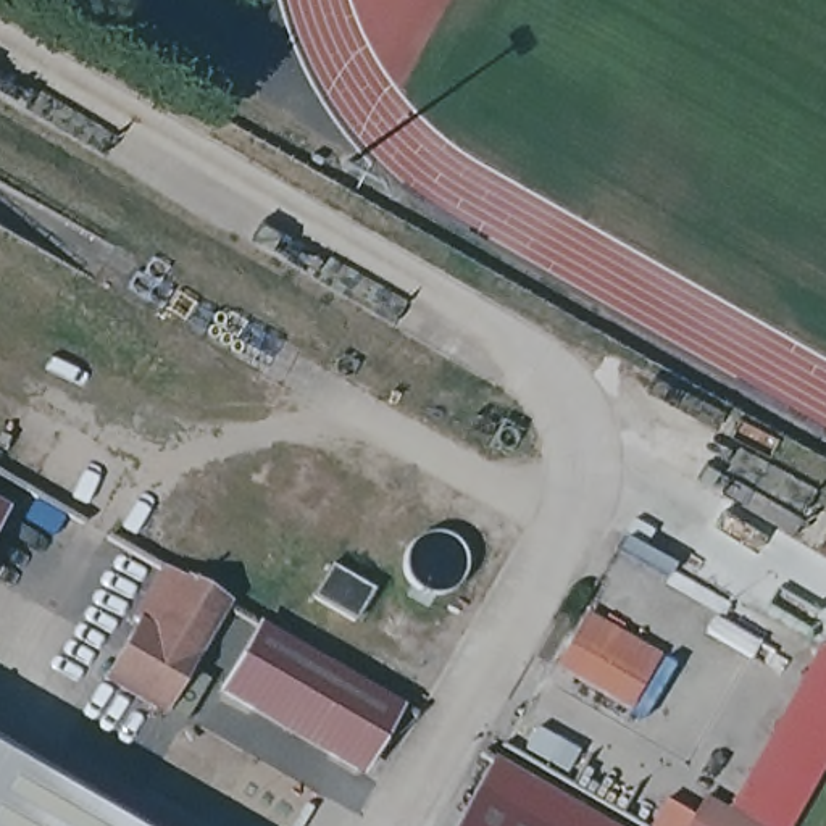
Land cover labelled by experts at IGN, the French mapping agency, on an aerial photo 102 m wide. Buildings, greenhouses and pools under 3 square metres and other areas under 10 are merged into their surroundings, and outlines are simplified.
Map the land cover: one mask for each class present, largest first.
<instances>
[{"label":"impervious surface","instance_id":"1","mask_svg":"<svg viewBox=\"0 0 826 826\"><path fill-rule=\"evenodd\" d=\"M181 13L184 32L213 42L223 55L226 77L232 81L229 94L245 97L258 94L261 100L294 113L300 123L319 132V145L332 148V155L310 158V148L242 116H236L232 123L252 132L255 139L281 148L284 155L303 161L310 171L339 181L342 187L371 200L384 213L436 236L439 242L465 252L468 258L532 290L536 297L571 313L574 319L652 358L658 365V381L668 387L665 400L649 394L632 378H623L620 358H603L600 368L587 365L581 352L568 348L536 323L516 316L513 310L494 303L465 281L445 274L442 268H432L419 255L381 239L378 232L361 229L348 216L323 207L310 194L294 190L290 184L277 181L239 152L219 145L216 139H210V126L190 116L158 110L152 100L126 87L119 77L81 65L68 52H52L39 39L26 35L19 26L0 19V113L19 116L26 106H32L65 132L84 139L100 152H110L113 165L129 171L139 184L158 190L165 200L184 207L200 223L223 232H236L239 252L261 261L268 271H287L316 294H345L348 300L365 307L368 316L381 313L400 319V329L410 339L429 345L432 352L445 355L465 371L490 384H500L516 400V407L532 419V432L539 439V458L487 461L471 445L455 442L439 429L419 423L416 416H407L374 400L368 387L352 384L342 371L319 368L313 358L287 345V329L271 326L252 307L232 303L229 310H223L219 300L207 297L200 287H190V277L181 268L177 255L165 258L171 271H139L136 258L119 245L94 236L90 229L65 219L61 213L42 207L39 200L0 181V226L35 242L39 248L52 252L55 258L84 271L87 277L106 281L110 290H123L132 300L145 303L148 297L161 300L158 319H194L197 326H210V339L216 345L229 348L239 361L261 371L265 400L271 413L268 419L255 423H226L223 436H184V442L174 448H161L145 436L129 432L126 426H100L90 403H74L61 390L32 397L26 403L29 410L23 419H0V497L13 503V513L0 532V739L19 745L23 752L42 758L45 765L65 771L84 787L142 816V826H461L468 820V807L461 800V794L471 787L468 768L471 761L494 765L490 742H503L507 752L539 765L561 784L584 791L587 797L616 810L632 826H658L655 816L661 803L678 800L694 810L707 794V784H713L716 778L723 791H716V800L732 803V787L758 761L768 732L791 707L803 671H810V658L820 655V649L826 645V555L800 545V539L787 532H774L758 552H752L716 529L720 513L729 510V500L723 497L720 484L700 481V468L710 461L713 436L700 419L681 413L678 403L690 397L716 407L726 416L742 413L745 423L781 439H794L826 458V352L755 316L752 310L726 300L723 294L697 284L671 265L652 258L649 252L623 242L594 219L532 190L519 177L494 168L490 161L478 158L455 139H448L429 116H423V110L407 97V81L426 42L432 39L448 0H168ZM274 442L326 448L348 471L365 474L378 487L387 484V468H394L397 461L416 465L426 474L423 500L439 519H468L484 532L487 545H494L497 539H510L513 549L503 558V568L490 584L487 597L481 603H471V629L458 639V649L452 655L448 690L423 713V720L410 726L400 749L390 758L394 771L374 787L368 774H352L332 765L303 739L271 726L255 713L236 710L219 697V681L226 668L219 665V658L223 642L242 610L232 597L223 610V620L207 652L187 674L184 690L174 700L161 703V697L139 690L136 681L119 678L113 665L123 645L136 642V629L142 623L139 600L148 597L155 571H161L165 565L161 558L132 545L152 503L148 490L168 497L187 471L242 452L271 448ZM574 581L590 594L587 610L607 620L610 626H620L632 639H642L658 655L674 658V671L655 697L658 713L649 720H629L623 716V703L571 678V671L555 661L561 639L578 623L558 610Z\"/></svg>","mask_w":826,"mask_h":826},{"label":"herbaceous vegetation","instance_id":"2","mask_svg":"<svg viewBox=\"0 0 826 826\"><path fill-rule=\"evenodd\" d=\"M407 97L423 110V116H429L448 139H455L478 158L490 161L494 168L519 177L532 190L594 219L623 242L649 252L652 258L671 265L697 284L723 294L726 300L752 310L755 316L826 352V0H448L432 39L426 42L407 81ZM242 116L310 148V158L332 155V148L319 145V132L300 123L294 113L261 100L258 94L245 97ZM0 181L39 200L42 207L61 213L65 219L90 229L94 236L119 245L136 258L139 271H171L165 258L177 255L181 268L190 277V287H200L207 297L219 300L223 310H229L232 303L252 307L271 326L287 329V345L313 358L319 368L342 371L352 384L368 387L374 400L407 416H416L419 423L439 429L455 442L471 445L487 461L539 458V439L532 432V419L516 407V400L500 384H490L465 371L445 355L432 352L429 345L410 339L400 329V319L381 313L368 316L365 307L348 300L345 294H316L287 271H268L261 261L239 252L236 232H223L200 223L184 207L165 200L158 190L139 184L129 171L113 165L110 152H100L84 139L65 132L32 106H26L19 116L0 113ZM210 139H216L219 145L239 152L277 181L290 184L294 190L310 194L323 207L348 216L361 229L378 232L381 239L419 255L432 268H442L445 274L465 281L494 303L513 310L516 316L536 323L568 348L581 352L587 365L600 368L603 358H620L623 378H632L649 394L665 400L668 387L658 381V365L652 358L574 319L571 313L536 297L532 290L468 258L465 252L439 242L436 236L384 213L371 200L342 187L339 181L310 171L303 161L284 155L281 148L255 139L252 132L232 123L210 126ZM161 300L148 297L145 303L132 300L123 290H110L106 281L87 277L84 271L55 258L52 252L39 248L35 242L0 226V419H23L29 410L26 403L32 397L61 390L74 403H90L100 426H126L129 432L145 436L161 448H174L184 442V436H223L226 423H255L268 419L271 413L265 400L261 371L239 361L229 348L216 345L210 339V326H197L194 319H158ZM681 413L700 419L713 436L710 461L700 468V481L720 484L723 497L729 500V510L720 513L716 529L752 552H758L774 532H787L800 539V545L826 555V458L794 439H781L745 423L742 413L726 416L716 407L690 397L678 403ZM426 474L416 465L397 461L394 468H387V484L378 487L365 474L348 471L326 448L274 442L271 448L242 452L187 471L168 497L148 490L152 503L132 545L161 558L165 565L207 574L216 584H223L232 597L242 610L290 632L294 639L336 658L339 665L374 681L378 687L403 697L410 707L423 713L448 690L452 655L458 649V639L471 629V603H481L487 597L490 584L503 568V558L513 549L510 539H497L494 545H487L484 532L468 519H445L471 542L478 578L458 581L452 587H432L436 600L419 603L400 574V542L410 539L416 545L423 536H429L432 523L439 519L423 500ZM307 565H348L371 578L378 584L371 613L355 610V623L326 613L319 603L310 600L313 581L303 574ZM797 826H826V771L820 774L810 800L803 803Z\"/></svg>","mask_w":826,"mask_h":826},{"label":"building","instance_id":"3","mask_svg":"<svg viewBox=\"0 0 826 826\"><path fill-rule=\"evenodd\" d=\"M13 513V503L0 497V532ZM400 574L419 603L436 600L432 587H452L458 581L478 578L471 542L445 519H439L432 523L429 536H423L416 545L410 539L400 542ZM232 597L223 584H216L207 574L165 565L161 571H155L148 597L139 600L142 623L136 629V642L123 645L113 665L119 678L136 681L139 690L161 697V703L174 700L184 690L187 674L207 652L223 620V610ZM303 574L313 581L310 600L319 603L326 613L355 623V610L371 613L378 584L371 578L348 565H307ZM219 665L226 668L219 681V697L236 710L255 713L271 726L303 739L332 765L352 774H368L374 787L394 771L390 758L400 749L410 726L423 720V713L410 707L403 697L378 687L374 681L339 665L336 658L294 639L290 632L242 610L223 642L219 658ZM555 661L571 671V678L623 703V716L629 720H649L658 713L655 697L674 671V658L658 655L642 639H632L620 626H610L607 620L587 610L578 623L561 639ZM826 771V645L820 649V655L810 658V671H803L791 707L768 732L758 761L732 787V803L716 800V791H723L716 778L713 784H707V794L694 810L678 800L661 803L655 816L658 826H797L803 803L810 800L820 774ZM0 826H142V816L84 787L65 771L45 765L42 758L23 752L19 745L0 739ZM494 765L471 761L468 768L471 787L461 794V800L468 807V820L461 826H632L616 810L587 797L584 791L561 784L539 765L507 752L503 742H490Z\"/></svg>","mask_w":826,"mask_h":826},{"label":"deciduous trees","instance_id":"4","mask_svg":"<svg viewBox=\"0 0 826 826\"><path fill-rule=\"evenodd\" d=\"M0 19L19 26L26 35L39 39L52 52H68L81 65L119 77L126 87L152 100L158 110L190 116L210 126L232 123L236 116H242L245 97L229 94L232 81L226 77L223 55L213 42L184 32L181 13L168 0H0ZM590 594L574 581L558 610L578 623L587 610Z\"/></svg>","mask_w":826,"mask_h":826}]
</instances>
